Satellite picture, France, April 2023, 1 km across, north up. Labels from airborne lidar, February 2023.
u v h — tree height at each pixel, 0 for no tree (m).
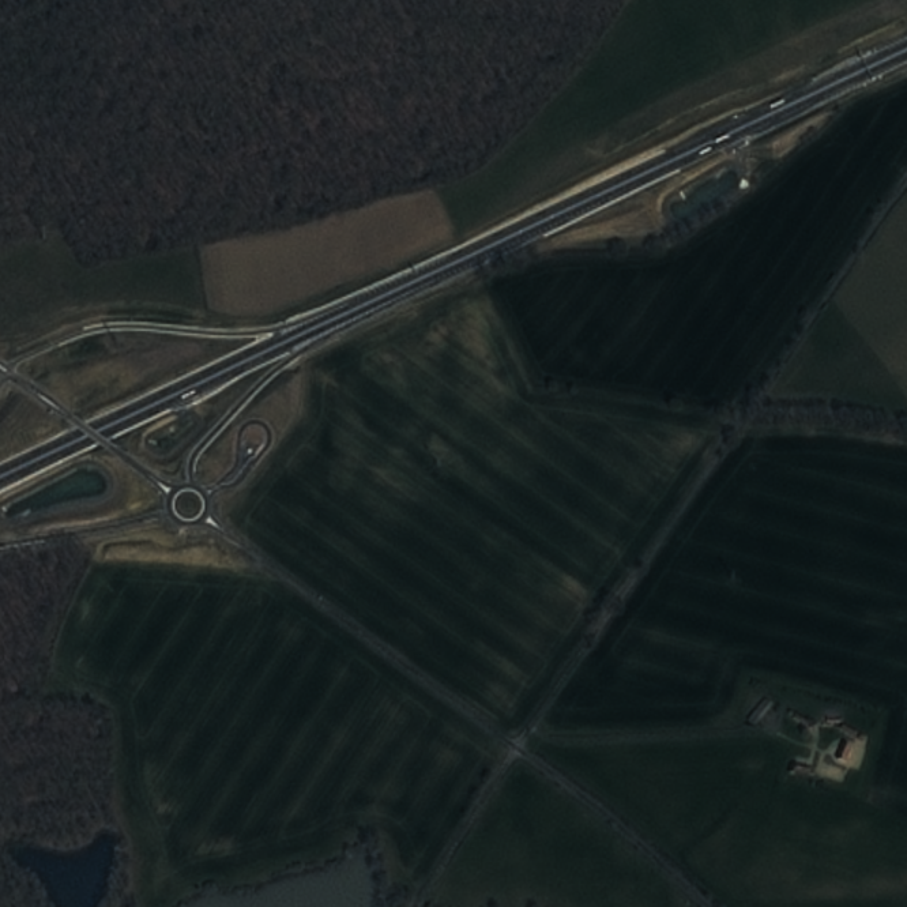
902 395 0
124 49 24
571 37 18
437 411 0
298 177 22
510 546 0
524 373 0
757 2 0
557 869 0
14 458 0
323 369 0
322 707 0
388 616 0
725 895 0
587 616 11
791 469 0
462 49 23
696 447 0
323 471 0
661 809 0
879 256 0
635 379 0
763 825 0
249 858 0
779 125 0
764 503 0
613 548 0
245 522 0
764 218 0
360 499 0
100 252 17
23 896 14
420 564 0
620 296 0
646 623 0
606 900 0
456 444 0
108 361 0
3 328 0
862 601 0
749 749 0
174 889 0
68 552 18
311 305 0
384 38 25
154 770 0
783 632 0
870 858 0
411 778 0
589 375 0
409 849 0
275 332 0
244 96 22
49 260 0
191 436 0
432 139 20
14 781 20
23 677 25
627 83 0
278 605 0
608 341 0
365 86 25
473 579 0
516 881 0
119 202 21
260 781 0
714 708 0
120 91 21
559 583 0
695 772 0
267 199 23
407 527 0
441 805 0
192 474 0
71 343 0
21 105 23
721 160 0
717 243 0
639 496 0
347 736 0
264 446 0
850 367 0
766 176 0
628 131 0
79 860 0
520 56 19
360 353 0
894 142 0
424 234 0
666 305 0
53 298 0
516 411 0
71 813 19
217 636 0
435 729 0
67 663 0
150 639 0
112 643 0
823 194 0
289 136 12
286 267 0
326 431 0
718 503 0
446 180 19
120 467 0
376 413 0
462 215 0
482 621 0
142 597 0
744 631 0
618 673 0
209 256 0
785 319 0
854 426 17
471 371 0
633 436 0
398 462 0
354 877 0
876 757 0
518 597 0
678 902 0
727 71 0
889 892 0
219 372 0
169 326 0
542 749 0
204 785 0
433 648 0
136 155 20
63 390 0
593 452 0
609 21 13
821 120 0
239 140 20
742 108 0
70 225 20
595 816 0
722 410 18
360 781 0
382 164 19
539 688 0
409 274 0
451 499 0
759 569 0
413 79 26
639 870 0
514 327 0
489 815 0
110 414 0
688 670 0
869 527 0
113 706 0
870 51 0
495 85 22
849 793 0
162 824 0
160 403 0
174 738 0
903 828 0
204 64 26
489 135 23
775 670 0
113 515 0
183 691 0
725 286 0
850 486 0
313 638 0
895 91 0
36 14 27
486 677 0
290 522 0
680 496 0
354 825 0
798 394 0
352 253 0
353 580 0
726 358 0
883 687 0
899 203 0
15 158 22
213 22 21
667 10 0
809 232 0
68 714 22
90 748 17
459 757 0
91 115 22
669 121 0
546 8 23
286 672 0
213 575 0
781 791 0
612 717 0
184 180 24
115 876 17
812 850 0
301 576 0
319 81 24
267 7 26
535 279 0
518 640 0
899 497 0
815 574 0
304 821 0
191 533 0
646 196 0
